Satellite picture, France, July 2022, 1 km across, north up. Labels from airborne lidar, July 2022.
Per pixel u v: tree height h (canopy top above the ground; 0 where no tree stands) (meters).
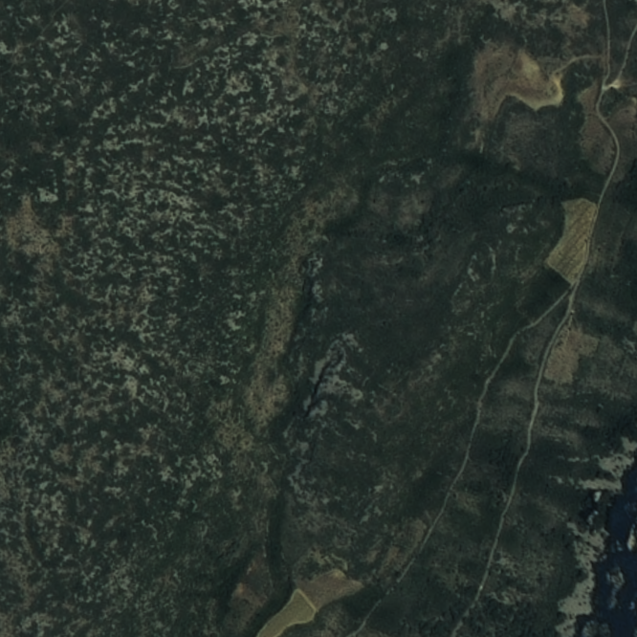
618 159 0
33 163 0
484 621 7
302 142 0
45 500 0
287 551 0
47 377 0
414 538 0
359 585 0
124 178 0
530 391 0
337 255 0
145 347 0
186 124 0
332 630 0
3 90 0
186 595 6
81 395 0
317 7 0
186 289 0
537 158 6
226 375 7
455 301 0
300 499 0
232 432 0
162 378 0
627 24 0
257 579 0
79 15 0
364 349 0
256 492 0
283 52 0
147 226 0
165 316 0
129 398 0
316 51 0
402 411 0
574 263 0
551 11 0
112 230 0
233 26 0
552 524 0
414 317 0
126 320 0
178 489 8
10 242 0
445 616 9
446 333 0
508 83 0
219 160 0
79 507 0
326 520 0
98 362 0
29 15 0
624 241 6
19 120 0
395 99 0
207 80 0
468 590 9
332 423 0
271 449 0
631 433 10
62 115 0
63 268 0
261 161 0
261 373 0
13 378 0
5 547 0
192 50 0
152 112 0
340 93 0
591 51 0
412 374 0
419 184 0
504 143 0
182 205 0
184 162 0
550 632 7
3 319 0
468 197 9
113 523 0
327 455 0
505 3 0
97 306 0
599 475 12
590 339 0
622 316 0
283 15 0
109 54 0
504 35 0
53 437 0
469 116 0
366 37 0
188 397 6
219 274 0
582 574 12
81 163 0
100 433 0
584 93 0
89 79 0
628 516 10
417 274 6
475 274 0
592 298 0
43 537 0
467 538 0
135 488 0
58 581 0
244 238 0
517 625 7
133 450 0
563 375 0
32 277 0
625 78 0
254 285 5
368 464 0
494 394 0
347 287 0
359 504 0
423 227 6
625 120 0
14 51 0
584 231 0
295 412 7
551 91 0
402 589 6
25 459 0
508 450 7
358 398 0
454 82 6
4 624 0
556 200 8
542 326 0
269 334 0
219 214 0
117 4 0
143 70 0
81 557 0
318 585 0
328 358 0
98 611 0
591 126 0
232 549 10
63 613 0
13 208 0
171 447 0
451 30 0
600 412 8
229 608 7
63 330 0
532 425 0
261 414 0
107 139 0
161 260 0
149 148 0
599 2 0
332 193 0
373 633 0
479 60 0
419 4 0
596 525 9
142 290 0
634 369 0
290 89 0
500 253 0
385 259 0
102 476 0
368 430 0
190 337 0
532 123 0
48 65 0
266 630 0
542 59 0
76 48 0
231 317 6
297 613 0
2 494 0
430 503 0
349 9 0
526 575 0
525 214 0
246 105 0
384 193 0
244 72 0
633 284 6
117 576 0
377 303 0
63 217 0
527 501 0
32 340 0
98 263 0
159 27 0
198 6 0
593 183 0
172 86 0
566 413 0
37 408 0
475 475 0
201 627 6
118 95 0
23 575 0
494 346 6
